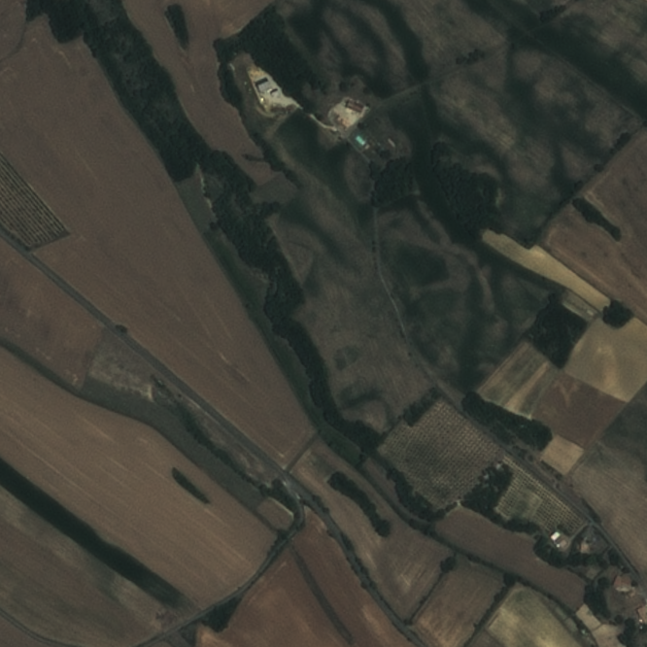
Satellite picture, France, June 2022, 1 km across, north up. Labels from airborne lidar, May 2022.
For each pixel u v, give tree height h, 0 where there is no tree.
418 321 0
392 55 0
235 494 0
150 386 0
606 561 7
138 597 0
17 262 0
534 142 0
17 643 0
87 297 0
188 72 0
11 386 0
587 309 0
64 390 0
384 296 0
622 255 0
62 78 0
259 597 0
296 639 0
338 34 0
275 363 0
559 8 8
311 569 0
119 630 0
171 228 0
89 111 0
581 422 0
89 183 0
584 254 0
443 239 0
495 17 0
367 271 0
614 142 0
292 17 0
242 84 0
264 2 0
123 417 0
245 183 16
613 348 0
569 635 0
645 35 0
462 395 0
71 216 0
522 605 0
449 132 0
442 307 0
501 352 0
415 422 7
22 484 0
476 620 0
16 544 0
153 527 0
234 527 0
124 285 0
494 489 9
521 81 0
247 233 10
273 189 0
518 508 0
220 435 0
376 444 15
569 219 0
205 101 0
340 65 0
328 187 0
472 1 0
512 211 0
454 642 0
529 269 0
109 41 7
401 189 18
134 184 0
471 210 9
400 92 0
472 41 0
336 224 0
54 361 0
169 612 0
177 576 0
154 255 0
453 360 0
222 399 0
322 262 0
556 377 0
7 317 0
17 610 0
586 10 0
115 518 0
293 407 0
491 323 0
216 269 0
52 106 0
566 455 0
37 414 0
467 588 0
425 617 0
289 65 17
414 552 0
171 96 7
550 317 14
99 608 0
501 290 0
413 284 0
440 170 11
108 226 0
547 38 0
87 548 0
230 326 0
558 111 0
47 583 0
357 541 0
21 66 0
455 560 10
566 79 0
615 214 0
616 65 0
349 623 0
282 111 0
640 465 0
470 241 0
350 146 9
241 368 0
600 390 0
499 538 0
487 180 10
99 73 0
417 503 15
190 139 15
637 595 0
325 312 0
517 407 0
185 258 0
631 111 0
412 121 0
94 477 0
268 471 0
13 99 0
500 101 0
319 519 0
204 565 0
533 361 0
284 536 10
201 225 0
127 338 0
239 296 0
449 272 0
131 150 0
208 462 0
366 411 0
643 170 0
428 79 0
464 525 0
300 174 0
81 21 6
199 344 0
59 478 0
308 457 0
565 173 0
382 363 0
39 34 0
